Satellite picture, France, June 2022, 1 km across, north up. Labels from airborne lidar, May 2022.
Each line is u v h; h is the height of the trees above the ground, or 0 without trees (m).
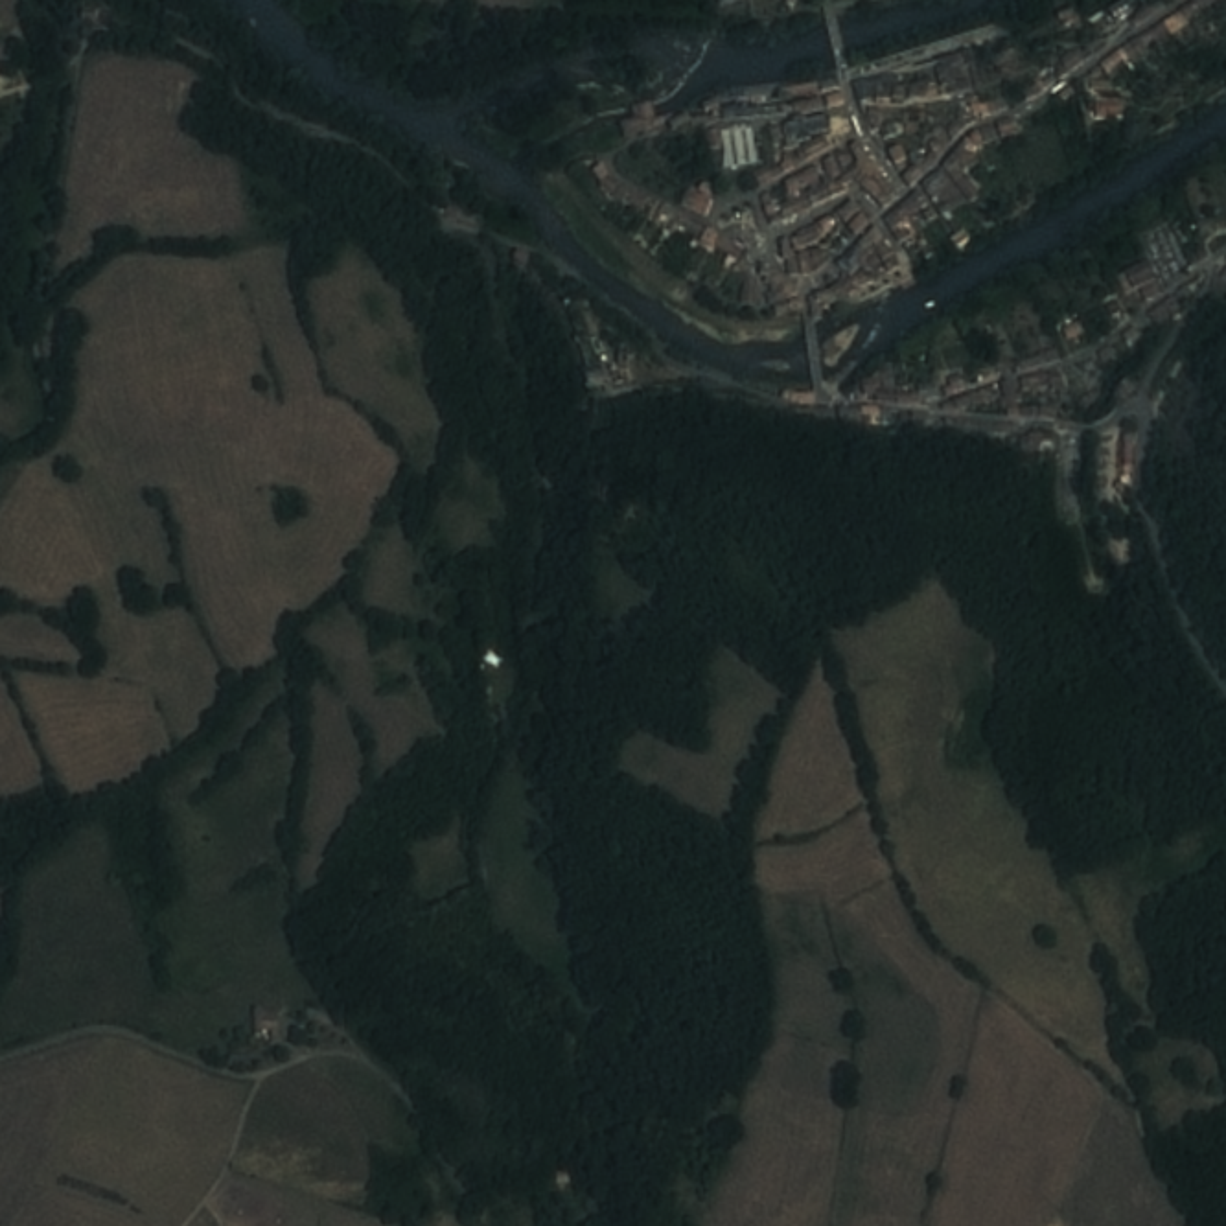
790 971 0
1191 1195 11
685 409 9
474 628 14
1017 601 14
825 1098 0
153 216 0
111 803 18
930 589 0
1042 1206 0
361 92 0
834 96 0
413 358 0
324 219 19
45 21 9
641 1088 19
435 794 22
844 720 13
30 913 0
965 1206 0
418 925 18
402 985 17
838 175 0
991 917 0
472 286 13
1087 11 7
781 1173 0
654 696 20
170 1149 0
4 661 10
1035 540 15
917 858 0
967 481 11
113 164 0
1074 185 14
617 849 20
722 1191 0
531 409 22
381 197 15
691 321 0
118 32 16
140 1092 0
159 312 0
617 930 27
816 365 0
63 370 18
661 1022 22
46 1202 0
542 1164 13
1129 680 21
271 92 19
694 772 0
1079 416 7
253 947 0
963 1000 0
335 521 0
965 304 13
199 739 8
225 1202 0
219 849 0
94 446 0
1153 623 23
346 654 0
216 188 0
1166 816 16
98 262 10
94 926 0
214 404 0
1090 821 11
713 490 15
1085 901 0
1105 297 9
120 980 0
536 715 9
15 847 9
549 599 28
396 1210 6
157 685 0
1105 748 10
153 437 0
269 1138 0
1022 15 15
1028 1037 0
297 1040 13
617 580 0
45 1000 0
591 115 21
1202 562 9
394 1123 0
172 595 14
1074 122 12
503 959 19
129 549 0
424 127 0
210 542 0
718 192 22
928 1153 0
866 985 0
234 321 0
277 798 0
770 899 0
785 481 20
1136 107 8
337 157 16
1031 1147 0
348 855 15
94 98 0
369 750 14
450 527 0
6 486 0
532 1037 14
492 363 22
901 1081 0
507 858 0
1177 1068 12
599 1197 24
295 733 13
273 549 0
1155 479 11
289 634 18
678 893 16
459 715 19
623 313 15
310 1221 0
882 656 0
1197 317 13
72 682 0
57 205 13
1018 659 12
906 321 0
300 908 8
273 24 0
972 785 0
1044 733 10
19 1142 0
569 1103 20
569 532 10
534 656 24
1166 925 17
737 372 7
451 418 17
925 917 9
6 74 15
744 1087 11
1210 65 13
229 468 0
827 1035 0
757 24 14
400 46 27
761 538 15
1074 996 0
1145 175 0
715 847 19
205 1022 0
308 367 0
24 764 0
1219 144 16
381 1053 10
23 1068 0
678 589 21
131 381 0
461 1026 17
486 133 20
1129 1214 0
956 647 0
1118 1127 0
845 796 0
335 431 0
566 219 0
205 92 19
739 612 21
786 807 0
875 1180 0
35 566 0
